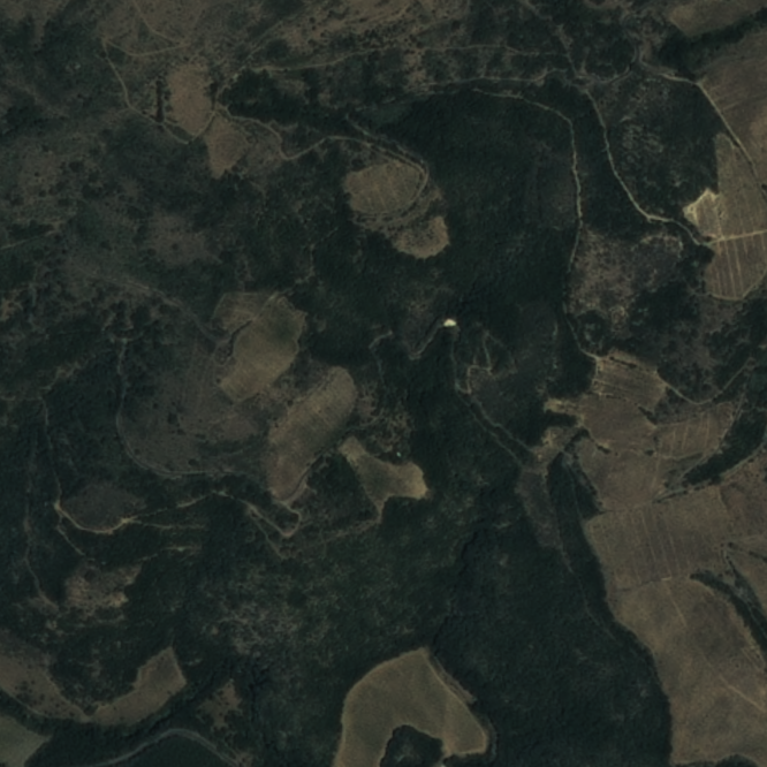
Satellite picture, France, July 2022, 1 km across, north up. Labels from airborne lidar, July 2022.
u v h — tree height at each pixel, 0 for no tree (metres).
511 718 10
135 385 8
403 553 8
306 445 0
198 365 0
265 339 0
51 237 6
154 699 0
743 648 0
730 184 0
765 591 0
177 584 7
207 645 9
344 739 0
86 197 8
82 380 6
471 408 7
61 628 7
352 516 5
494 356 7
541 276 6
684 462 0
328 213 10
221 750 9
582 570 6
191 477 8
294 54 0
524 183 7
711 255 9
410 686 0
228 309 0
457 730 0
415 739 7
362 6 0
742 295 0
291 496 0
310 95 13
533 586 6
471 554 8
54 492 5
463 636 7
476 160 10
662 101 0
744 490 0
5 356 6
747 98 0
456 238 9
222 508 10
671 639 0
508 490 10
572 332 6
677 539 0
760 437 8
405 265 7
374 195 0
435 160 10
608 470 0
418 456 11
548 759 6
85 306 8
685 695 0
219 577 7
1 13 0
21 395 7
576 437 8
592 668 6
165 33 0
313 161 8
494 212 10
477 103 7
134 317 9
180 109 0
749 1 0
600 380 0
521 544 8
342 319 8
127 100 0
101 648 7
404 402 10
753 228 0
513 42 6
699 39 6
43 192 6
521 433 6
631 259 0
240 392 0
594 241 0
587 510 6
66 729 7
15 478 6
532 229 6
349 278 11
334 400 0
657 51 7
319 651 8
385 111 8
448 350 9
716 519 0
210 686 11
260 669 18
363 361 7
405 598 6
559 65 8
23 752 0
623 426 0
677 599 0
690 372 6
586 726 10
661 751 7
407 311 6
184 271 7
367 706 0
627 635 7
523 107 7
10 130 8
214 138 0
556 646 6
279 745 6
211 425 0
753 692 0
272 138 0
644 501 0
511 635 7
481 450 7
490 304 9
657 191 6
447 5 0
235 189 8
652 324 7
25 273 8
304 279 9
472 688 16
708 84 0
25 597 6
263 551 7
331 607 7
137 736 14
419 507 9
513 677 6
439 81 9
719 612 0
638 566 0
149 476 6
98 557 8
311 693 7
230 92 6
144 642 8
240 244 5
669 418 0
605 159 7
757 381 6
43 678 0
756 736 0
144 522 8
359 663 12
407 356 9
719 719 0
